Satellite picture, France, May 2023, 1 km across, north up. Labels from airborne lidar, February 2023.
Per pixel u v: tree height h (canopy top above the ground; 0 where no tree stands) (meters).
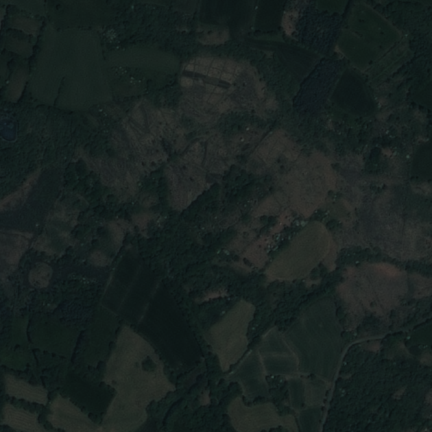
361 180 0
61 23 0
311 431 0
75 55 0
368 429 13
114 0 9
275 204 0
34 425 0
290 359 0
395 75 12
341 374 8
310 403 0
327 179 0
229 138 0
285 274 0
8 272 0
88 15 0
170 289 15
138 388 0
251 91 0
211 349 10
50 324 14
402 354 0
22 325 0
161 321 0
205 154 0
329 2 0
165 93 6
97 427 0
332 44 18
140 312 0
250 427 0
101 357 0
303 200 0
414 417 6
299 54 0
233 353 0
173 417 19
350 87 0
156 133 0
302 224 6
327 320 0
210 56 0
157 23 6
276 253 6
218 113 0
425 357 0
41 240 0
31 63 16
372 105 0
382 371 10
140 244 11
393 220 0
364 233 0
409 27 9
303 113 21
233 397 12
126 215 13
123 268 0
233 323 0
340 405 9
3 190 6
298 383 0
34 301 16
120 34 8
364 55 0
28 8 0
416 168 0
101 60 0
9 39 0
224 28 0
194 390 18
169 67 0
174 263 14
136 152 0
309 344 0
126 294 0
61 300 15
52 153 9
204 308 12
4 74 0
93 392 0
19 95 0
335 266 0
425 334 0
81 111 0
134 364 0
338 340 0
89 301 12
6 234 0
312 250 0
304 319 0
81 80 0
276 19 0
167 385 0
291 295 9
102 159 0
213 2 0
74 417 0
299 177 0
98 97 0
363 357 7
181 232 8
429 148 0
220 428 15
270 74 7
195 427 12
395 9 11
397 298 0
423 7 11
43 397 0
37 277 0
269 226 6
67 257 14
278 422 0
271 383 6
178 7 0
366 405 9
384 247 0
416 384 8
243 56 9
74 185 10
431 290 0
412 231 0
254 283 9
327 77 23
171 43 10
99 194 13
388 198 0
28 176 12
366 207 0
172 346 0
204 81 0
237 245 0
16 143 6
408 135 7
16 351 11
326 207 0
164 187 15
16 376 17
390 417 11
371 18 0
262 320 6
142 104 0
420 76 17
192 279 8
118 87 0
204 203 11
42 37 10
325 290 14
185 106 0
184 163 0
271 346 0
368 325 8
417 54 10
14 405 15
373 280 0
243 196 10
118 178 0
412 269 13
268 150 0
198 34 7
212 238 12
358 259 7
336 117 0
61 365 18
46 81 0
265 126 7
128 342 0
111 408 0
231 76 0
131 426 0
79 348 18
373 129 6
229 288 13
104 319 0
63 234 0
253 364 0
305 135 6
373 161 18
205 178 0
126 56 0
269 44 0
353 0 13
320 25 9
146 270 0
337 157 0
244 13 0
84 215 10
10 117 8
